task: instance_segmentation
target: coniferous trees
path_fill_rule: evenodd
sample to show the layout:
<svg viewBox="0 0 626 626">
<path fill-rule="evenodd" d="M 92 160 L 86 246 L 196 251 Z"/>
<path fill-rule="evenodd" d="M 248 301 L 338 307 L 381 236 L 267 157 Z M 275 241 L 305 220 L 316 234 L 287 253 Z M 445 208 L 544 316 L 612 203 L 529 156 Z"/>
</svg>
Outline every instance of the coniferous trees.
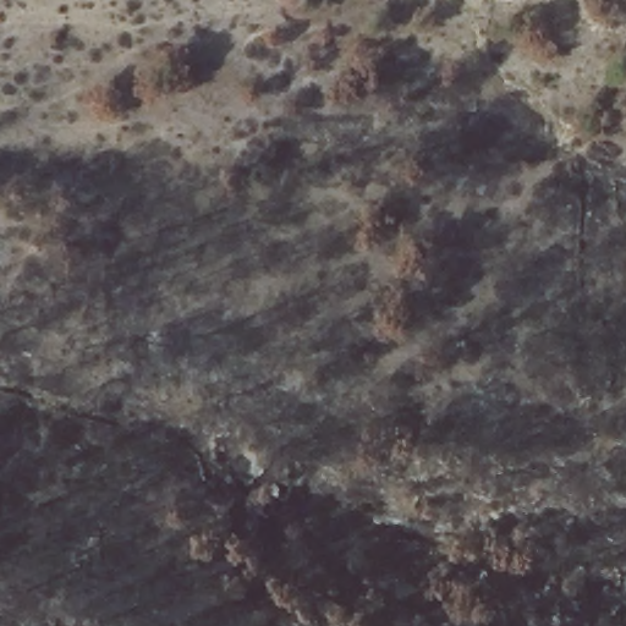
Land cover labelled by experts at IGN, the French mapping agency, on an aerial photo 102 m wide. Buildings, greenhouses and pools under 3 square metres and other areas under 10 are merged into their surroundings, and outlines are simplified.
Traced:
<svg viewBox="0 0 626 626">
<path fill-rule="evenodd" d="M 186 565 L 201 580 L 201 589 L 208 594 L 210 602 L 220 604 L 235 597 L 235 602 L 252 614 L 254 621 L 259 621 L 257 626 L 374 626 L 372 614 L 381 609 L 384 602 L 379 602 L 379 587 L 374 575 L 377 560 L 372 555 L 325 555 L 320 540 L 298 531 L 296 526 L 284 526 L 271 540 L 252 538 L 245 531 L 218 531 L 198 521 L 188 511 L 183 492 L 179 492 L 179 496 L 171 501 L 171 511 L 176 511 L 181 521 L 179 531 L 188 538 L 188 553 L 179 558 L 181 565 Z"/>
<path fill-rule="evenodd" d="M 553 42 L 533 44 L 531 32 L 518 34 L 509 22 L 489 22 L 482 29 L 487 44 L 506 42 L 516 56 L 533 61 L 560 56 Z"/>
<path fill-rule="evenodd" d="M 394 374 L 408 359 L 423 362 L 423 347 L 413 340 L 401 350 L 379 357 L 379 367 L 386 374 Z"/>
<path fill-rule="evenodd" d="M 381 245 L 367 242 L 372 232 L 372 215 L 367 215 L 357 223 L 355 252 L 350 254 L 357 264 L 367 262 L 369 274 L 379 281 L 372 291 L 374 337 L 394 340 L 396 347 L 401 340 L 408 337 L 403 330 L 423 330 L 418 289 L 425 281 L 425 274 L 416 264 L 416 247 L 406 232 L 399 230 L 394 240 L 386 240 Z"/>
<path fill-rule="evenodd" d="M 381 39 L 359 39 L 357 51 L 362 56 L 362 68 L 347 68 L 340 73 L 340 78 L 335 78 L 335 105 L 345 110 L 359 110 L 364 98 L 377 98 L 374 61 L 381 59 L 384 51 L 396 42 L 394 29 L 384 29 Z"/>
<path fill-rule="evenodd" d="M 455 624 L 487 624 L 499 619 L 499 606 L 494 597 L 484 587 L 479 587 L 492 567 L 501 572 L 523 575 L 531 582 L 540 582 L 545 594 L 550 594 L 553 587 L 562 589 L 562 577 L 567 577 L 565 570 L 550 562 L 550 558 L 540 550 L 538 540 L 531 533 L 516 528 L 516 516 L 509 514 L 496 521 L 479 523 L 482 533 L 470 540 L 455 540 L 445 555 L 438 555 L 438 562 L 425 577 L 425 599 L 435 599 Z"/>
<path fill-rule="evenodd" d="M 188 46 L 161 42 L 157 46 L 169 56 L 169 61 L 157 66 L 154 88 L 159 93 L 186 93 L 198 88 L 188 78 Z"/>
<path fill-rule="evenodd" d="M 90 110 L 98 115 L 98 120 L 120 117 L 122 112 L 137 110 L 142 105 L 142 100 L 134 95 L 134 71 L 132 66 L 125 66 L 110 86 L 95 86 L 93 90 L 83 90 L 76 95 L 78 103 L 90 103 Z"/>
<path fill-rule="evenodd" d="M 281 0 L 284 24 L 293 20 L 306 20 L 306 10 L 311 7 L 306 0 Z"/>
</svg>

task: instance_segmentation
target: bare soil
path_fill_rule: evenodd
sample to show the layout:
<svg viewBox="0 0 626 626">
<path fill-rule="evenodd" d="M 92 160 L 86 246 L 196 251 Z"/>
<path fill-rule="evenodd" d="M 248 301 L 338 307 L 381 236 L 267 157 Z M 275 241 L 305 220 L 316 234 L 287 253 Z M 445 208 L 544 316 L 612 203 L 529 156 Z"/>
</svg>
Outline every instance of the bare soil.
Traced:
<svg viewBox="0 0 626 626">
<path fill-rule="evenodd" d="M 325 555 L 372 555 L 377 560 L 374 575 L 379 587 L 379 602 L 384 602 L 381 609 L 372 614 L 374 626 L 626 626 L 626 0 L 306 0 L 311 7 L 306 10 L 306 20 L 293 20 L 284 24 L 281 0 L 0 0 L 0 626 L 257 626 L 259 621 L 254 621 L 252 614 L 235 602 L 235 597 L 220 604 L 210 602 L 208 594 L 201 589 L 201 580 L 186 565 L 181 565 L 179 558 L 188 553 L 188 538 L 179 531 L 181 521 L 176 511 L 171 511 L 171 501 L 179 496 L 179 492 L 183 492 L 188 511 L 198 521 L 218 531 L 245 531 L 252 538 L 271 540 L 284 526 L 296 526 L 298 531 L 320 540 Z M 560 56 L 533 61 L 516 56 L 506 42 L 487 44 L 482 29 L 489 22 L 509 22 L 518 34 L 531 32 L 533 44 L 553 42 Z M 340 73 L 347 68 L 362 68 L 362 56 L 357 51 L 359 39 L 381 39 L 384 29 L 394 29 L 396 42 L 384 51 L 381 59 L 374 61 L 377 98 L 364 98 L 359 110 L 345 110 L 335 105 L 335 78 L 340 78 Z M 161 42 L 188 46 L 188 78 L 198 88 L 186 93 L 159 93 L 154 88 L 157 66 L 169 61 L 169 56 L 157 46 Z M 90 110 L 90 103 L 78 103 L 76 95 L 83 90 L 93 90 L 95 86 L 110 86 L 125 66 L 132 66 L 134 71 L 134 95 L 142 100 L 142 105 L 137 110 L 122 112 L 120 117 L 98 120 L 98 115 Z M 357 223 L 367 215 L 372 215 L 372 232 L 367 242 L 381 245 L 386 240 L 394 240 L 399 230 L 406 232 L 416 247 L 416 264 L 425 274 L 425 281 L 418 289 L 423 330 L 403 330 L 408 337 L 401 340 L 396 347 L 394 340 L 374 337 L 372 291 L 379 281 L 369 274 L 367 262 L 357 264 L 350 254 L 355 252 Z M 401 350 L 413 340 L 423 347 L 423 362 L 408 359 L 394 374 L 386 374 L 379 367 L 379 357 Z M 531 582 L 523 575 L 501 572 L 492 567 L 479 587 L 484 587 L 494 597 L 499 606 L 499 619 L 487 624 L 455 624 L 435 599 L 425 599 L 425 577 L 438 562 L 438 555 L 445 555 L 455 540 L 470 540 L 482 533 L 479 523 L 496 521 L 509 514 L 516 516 L 516 528 L 531 533 L 538 540 L 540 550 L 550 558 L 550 562 L 565 570 L 567 577 L 562 577 L 562 589 L 553 587 L 550 594 L 545 594 L 540 582 Z"/>
</svg>

